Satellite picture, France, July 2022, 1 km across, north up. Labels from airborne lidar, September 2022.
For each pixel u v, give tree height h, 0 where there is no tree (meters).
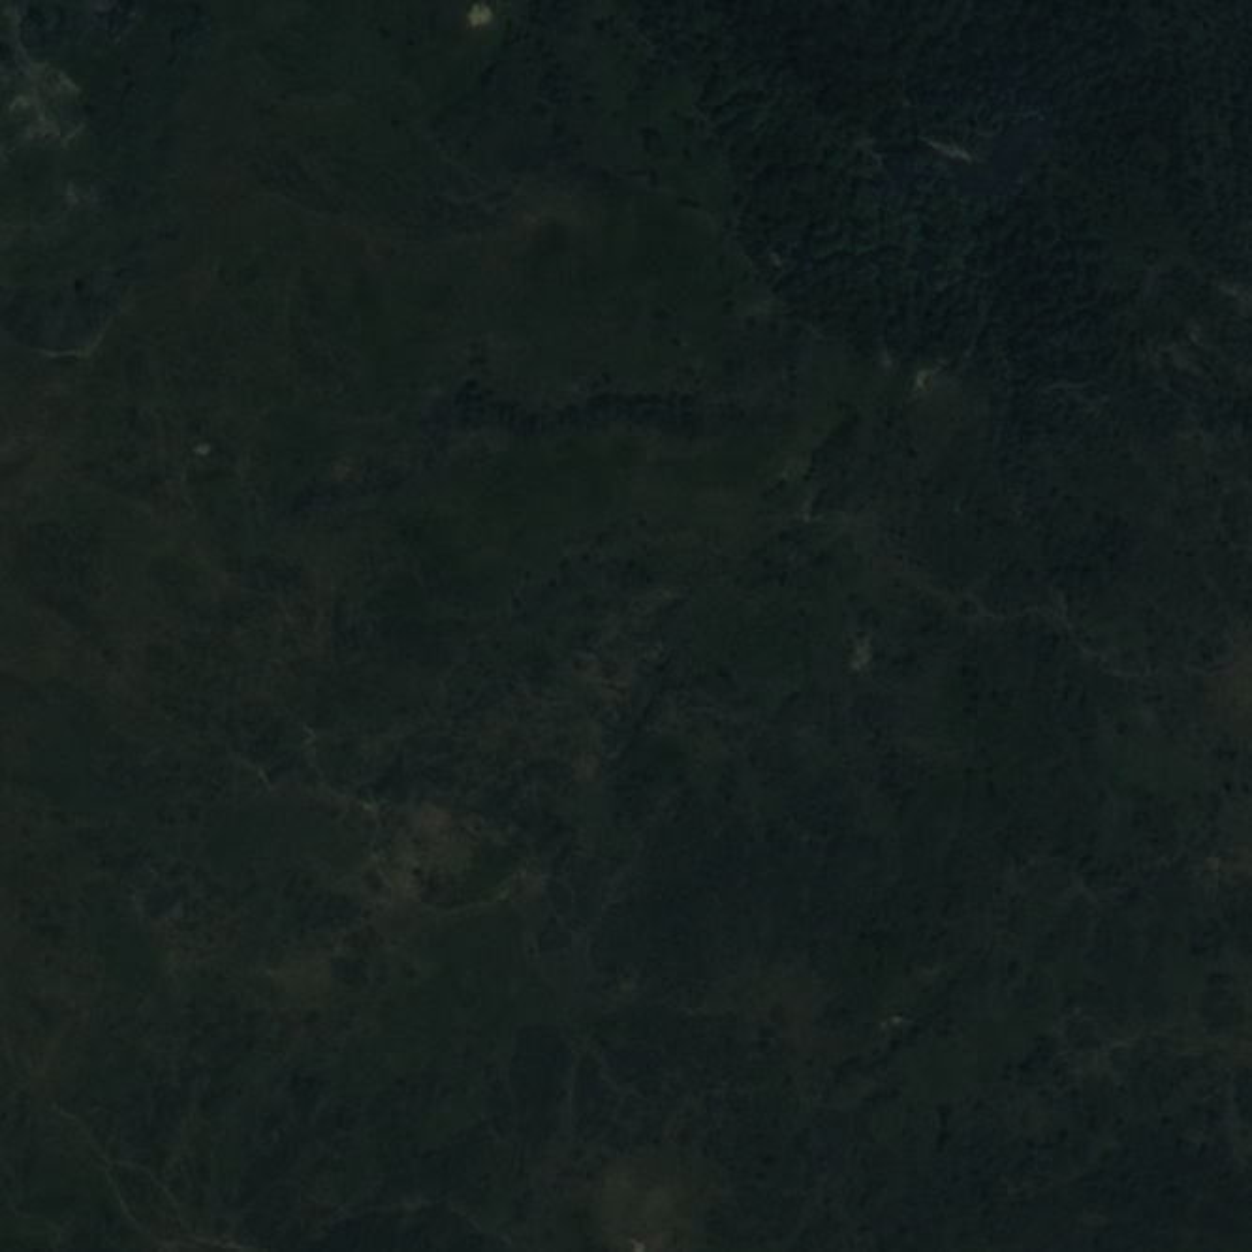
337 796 0
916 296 15
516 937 0
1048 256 12
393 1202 0
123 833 0
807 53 13
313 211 0
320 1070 0
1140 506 0
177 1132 0
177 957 0
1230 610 0
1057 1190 0
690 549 0
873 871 0
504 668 0
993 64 11
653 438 0
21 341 0
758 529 0
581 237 0
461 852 0
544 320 0
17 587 0
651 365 0
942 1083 0
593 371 0
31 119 0
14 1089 0
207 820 0
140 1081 0
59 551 0
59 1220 0
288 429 0
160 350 0
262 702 0
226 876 0
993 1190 6
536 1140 0
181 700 0
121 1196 0
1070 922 0
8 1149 0
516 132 0
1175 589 0
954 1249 0
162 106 0
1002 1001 0
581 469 0
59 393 0
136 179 0
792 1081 8
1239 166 7
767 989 0
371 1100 0
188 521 0
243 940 0
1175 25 11
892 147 12
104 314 0
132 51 0
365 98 0
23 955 0
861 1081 0
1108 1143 0
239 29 0
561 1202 0
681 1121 0
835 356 0
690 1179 0
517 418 12
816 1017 0
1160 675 0
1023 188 7
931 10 10
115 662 0
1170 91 9
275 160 0
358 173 0
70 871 0
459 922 0
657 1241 0
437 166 0
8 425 0
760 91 16
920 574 0
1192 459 0
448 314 0
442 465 0
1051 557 6
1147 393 9
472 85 0
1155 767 0
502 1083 0
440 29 0
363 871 0
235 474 0
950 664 0
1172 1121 8
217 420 0
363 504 0
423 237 0
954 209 17
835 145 20
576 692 0
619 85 0
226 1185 0
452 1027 0
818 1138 0
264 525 0
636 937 0
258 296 0
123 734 0
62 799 0
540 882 0
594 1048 0
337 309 0
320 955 0
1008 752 0
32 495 0
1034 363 14
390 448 0
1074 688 8
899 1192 0
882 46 12
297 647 0
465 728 0
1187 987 0
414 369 0
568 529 0
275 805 0
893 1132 0
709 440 0
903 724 0
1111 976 0
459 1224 0
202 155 0
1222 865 0
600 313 0
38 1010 0
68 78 0
